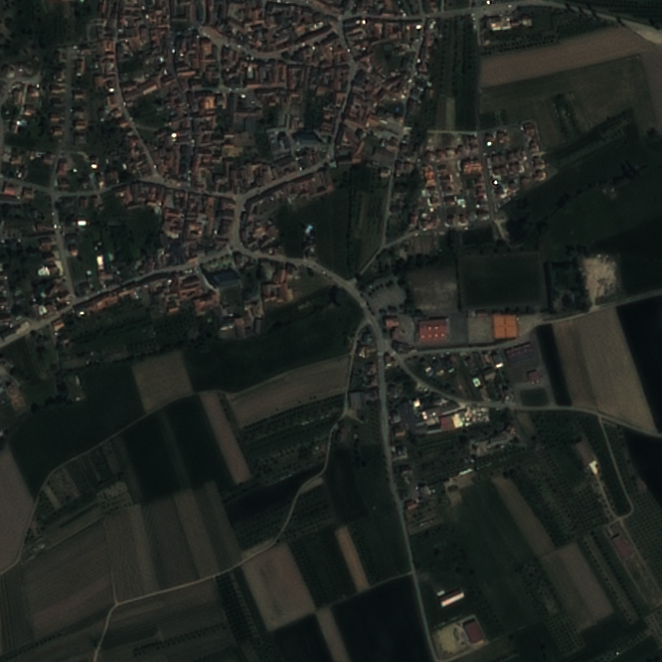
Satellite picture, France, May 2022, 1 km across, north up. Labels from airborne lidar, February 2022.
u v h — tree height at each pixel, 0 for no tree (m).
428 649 0
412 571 0
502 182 0
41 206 0
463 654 0
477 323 0
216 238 0
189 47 0
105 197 0
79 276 0
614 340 0
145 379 0
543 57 0
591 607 0
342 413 0
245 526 0
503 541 0
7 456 0
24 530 0
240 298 0
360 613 0
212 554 0
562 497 0
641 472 0
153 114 0
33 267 0
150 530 0
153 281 0
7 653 0
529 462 0
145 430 0
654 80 0
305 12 0
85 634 0
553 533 0
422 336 0
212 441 0
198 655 0
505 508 0
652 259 0
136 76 0
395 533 0
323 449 0
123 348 0
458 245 12
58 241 0
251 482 0
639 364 0
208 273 0
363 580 0
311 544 0
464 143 0
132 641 0
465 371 0
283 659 0
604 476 0
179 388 0
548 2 0
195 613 0
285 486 0
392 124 0
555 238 0
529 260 0
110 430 0
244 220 0
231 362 0
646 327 0
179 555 0
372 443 0
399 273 12
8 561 0
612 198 0
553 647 0
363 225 0
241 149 0
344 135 0
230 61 0
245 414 0
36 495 0
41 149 0
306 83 0
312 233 6
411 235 0
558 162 0
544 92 0
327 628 0
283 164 0
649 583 0
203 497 0
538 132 0
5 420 0
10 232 0
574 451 6
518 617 0
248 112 0
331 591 0
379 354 0
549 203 0
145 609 0
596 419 0
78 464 0
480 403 0
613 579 0
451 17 0
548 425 0
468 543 0
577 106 0
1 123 0
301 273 0
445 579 0
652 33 0
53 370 8
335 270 0
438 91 0
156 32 0
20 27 0
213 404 0
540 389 0
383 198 0
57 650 0
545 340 0
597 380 0
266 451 0
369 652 0
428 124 0
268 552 0
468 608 0
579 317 0
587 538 0
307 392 0
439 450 0
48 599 0
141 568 0
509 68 0
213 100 0
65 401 14
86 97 0
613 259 0
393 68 0
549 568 0
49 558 0
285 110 0
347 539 0
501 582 0
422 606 0
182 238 0
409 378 16
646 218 0
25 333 0
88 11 12
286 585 0
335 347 0
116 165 6
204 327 7
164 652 0
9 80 0
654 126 0
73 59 0
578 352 0
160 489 0
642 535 0
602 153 0
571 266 11
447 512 0
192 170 0
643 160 0
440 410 0
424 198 0
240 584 0
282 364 0
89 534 0
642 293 0
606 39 0
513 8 0
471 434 0
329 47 0
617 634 0
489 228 0
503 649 0
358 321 0
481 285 0
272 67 0
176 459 0
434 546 0
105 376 0
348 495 0
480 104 0
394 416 0
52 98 0
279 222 0
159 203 0
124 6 0
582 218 0
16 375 8
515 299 0
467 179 0
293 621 0
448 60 0
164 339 0
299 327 0
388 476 0
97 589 0
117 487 0
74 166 0
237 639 0
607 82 0
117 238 7
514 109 0
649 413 0
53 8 0
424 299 0
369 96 0
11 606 0
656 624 0
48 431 0
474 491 0
